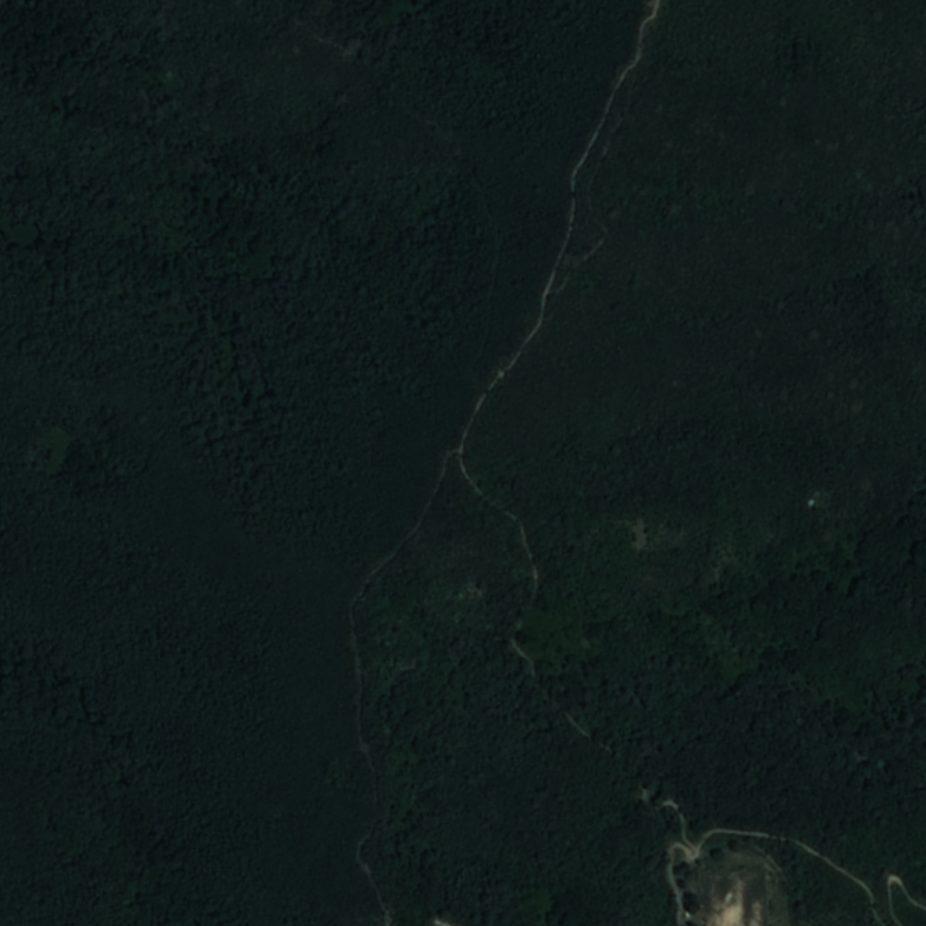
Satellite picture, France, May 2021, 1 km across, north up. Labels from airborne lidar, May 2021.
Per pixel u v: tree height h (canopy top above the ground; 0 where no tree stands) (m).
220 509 6
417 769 8
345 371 10
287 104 9
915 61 6
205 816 10
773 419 6
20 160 11
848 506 6
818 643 19
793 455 15
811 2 7
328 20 10
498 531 6
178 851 12
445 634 10
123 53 15
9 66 14
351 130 7
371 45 11
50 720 17
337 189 9
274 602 7
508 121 11
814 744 16
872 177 7
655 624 16
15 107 9
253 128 8
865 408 6
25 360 11
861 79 8
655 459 7
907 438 9
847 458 14
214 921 17
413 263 16
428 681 13
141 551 7
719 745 13
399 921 8
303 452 8
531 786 9
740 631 12
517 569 10
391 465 8
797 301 8
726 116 8
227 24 6
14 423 11
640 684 15
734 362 7
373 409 8
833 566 12
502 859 6
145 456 7
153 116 15
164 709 9
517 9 9
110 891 16
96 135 9
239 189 9
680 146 9
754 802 19
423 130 6
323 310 12
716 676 12
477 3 9
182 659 11
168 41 8
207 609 7
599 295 6
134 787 19
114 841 17
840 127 8
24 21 21
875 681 9
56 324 10
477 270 10
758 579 10
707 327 6
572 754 11
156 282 20
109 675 14
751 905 0
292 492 9
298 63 7
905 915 6
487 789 10
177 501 6
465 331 8
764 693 13
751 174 5
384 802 6
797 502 9
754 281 7
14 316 8
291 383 13
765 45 7
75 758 10
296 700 5
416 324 20
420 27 16
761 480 8
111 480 9
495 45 16
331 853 7
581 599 7
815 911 10
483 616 6
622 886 10
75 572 9
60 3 19
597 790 8
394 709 12
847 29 6
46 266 8
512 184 6
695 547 6
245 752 7
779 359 8
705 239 8
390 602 7
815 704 15
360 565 8
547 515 9
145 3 9
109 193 15
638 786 11
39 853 15
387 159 7
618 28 7
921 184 13
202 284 16
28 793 17
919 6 8
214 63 8
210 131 9
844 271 9
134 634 13
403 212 15
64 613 10
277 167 12
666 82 7
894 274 8
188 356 10
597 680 8
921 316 7
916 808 8
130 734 12
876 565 23
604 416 8
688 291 6
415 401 7
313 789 6
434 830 10
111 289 17
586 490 8
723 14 7
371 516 8
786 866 11
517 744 9
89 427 14
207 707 10
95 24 16
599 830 10
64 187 21
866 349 10
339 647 6
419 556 6
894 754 15
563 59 7
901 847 6
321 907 8
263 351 15
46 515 9
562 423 6
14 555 16
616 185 9
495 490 9
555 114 9
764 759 15
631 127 7
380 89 10
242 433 12
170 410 9
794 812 16
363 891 6
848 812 19
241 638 10
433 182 14
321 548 7
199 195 21
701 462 11
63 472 10
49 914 12
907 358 7
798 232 6
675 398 7
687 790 15
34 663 22
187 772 12
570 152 6
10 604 10
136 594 6
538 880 7
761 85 8
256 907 8
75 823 17
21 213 17
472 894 8
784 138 5
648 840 13
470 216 9
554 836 15
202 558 7
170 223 8
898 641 7
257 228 17
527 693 15
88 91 10
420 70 6
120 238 10
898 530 25
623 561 7
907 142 8
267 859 7
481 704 8
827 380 10
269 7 8
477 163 8
